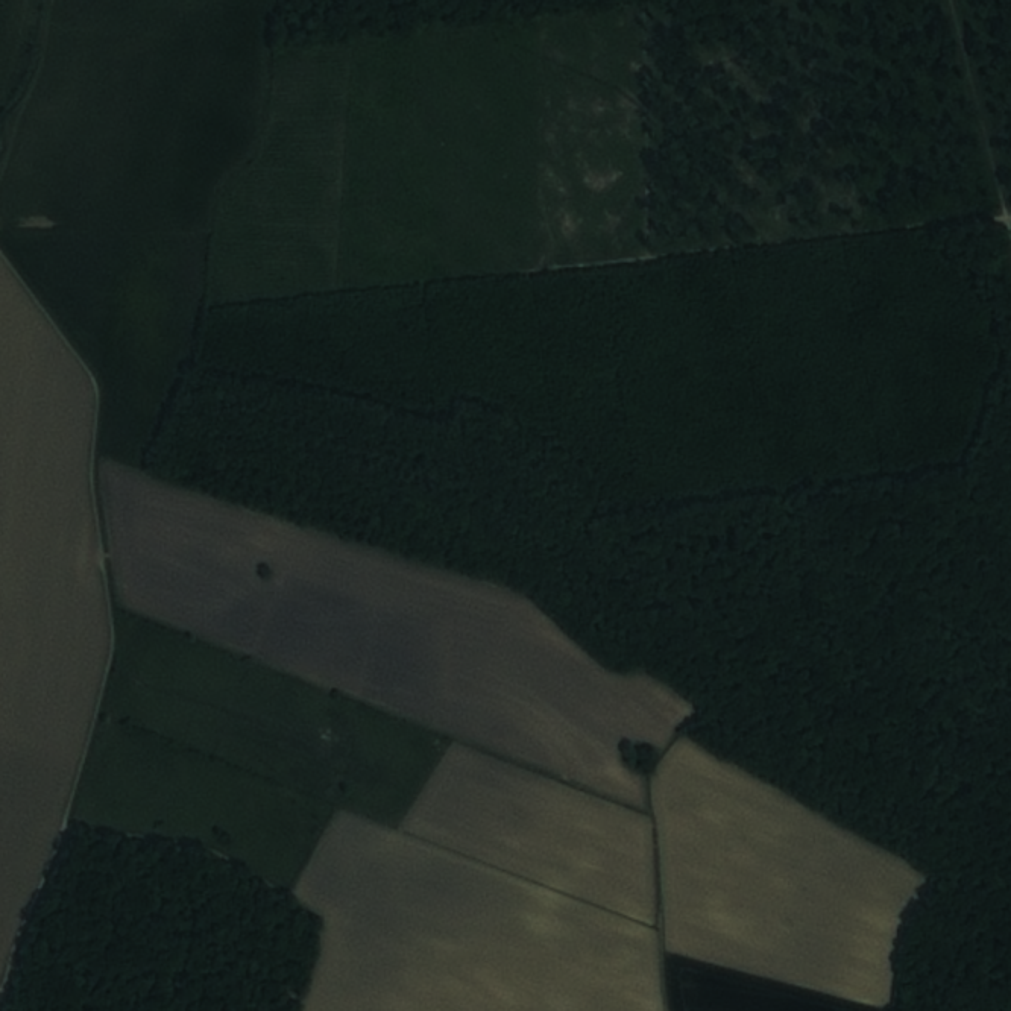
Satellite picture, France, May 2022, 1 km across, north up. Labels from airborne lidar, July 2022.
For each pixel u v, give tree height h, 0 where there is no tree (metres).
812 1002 0
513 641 0
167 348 0
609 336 9
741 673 23
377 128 0
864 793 26
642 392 11
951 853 25
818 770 21
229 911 21
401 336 14
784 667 18
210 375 21
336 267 0
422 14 27
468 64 0
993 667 23
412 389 14
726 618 25
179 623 0
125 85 0
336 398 26
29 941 20
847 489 23
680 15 24
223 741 0
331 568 0
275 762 0
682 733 10
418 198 0
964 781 26
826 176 27
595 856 0
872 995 0
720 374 13
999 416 26
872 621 27
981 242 26
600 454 12
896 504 24
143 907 26
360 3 27
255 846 0
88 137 0
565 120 0
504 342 11
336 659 0
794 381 11
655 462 11
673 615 26
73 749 0
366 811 0
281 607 0
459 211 0
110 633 0
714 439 12
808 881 0
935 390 10
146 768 0
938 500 25
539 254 0
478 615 0
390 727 0
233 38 0
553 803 0
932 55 22
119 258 0
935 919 21
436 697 0
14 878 0
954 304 12
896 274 10
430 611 0
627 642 22
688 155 22
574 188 0
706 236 27
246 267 0
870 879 0
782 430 11
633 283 10
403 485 27
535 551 25
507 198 0
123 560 0
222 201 0
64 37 0
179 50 0
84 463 0
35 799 0
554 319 11
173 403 15
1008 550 26
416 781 0
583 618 22
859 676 23
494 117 0
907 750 26
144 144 0
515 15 20
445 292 9
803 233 27
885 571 27
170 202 0
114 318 0
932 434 11
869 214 20
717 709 23
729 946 0
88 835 20
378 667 0
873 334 12
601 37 0
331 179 0
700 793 0
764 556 26
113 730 0
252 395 24
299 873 0
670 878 0
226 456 24
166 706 0
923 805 23
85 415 0
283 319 14
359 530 22
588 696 0
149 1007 30
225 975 26
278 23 21
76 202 0
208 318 9
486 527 25
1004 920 26
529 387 12
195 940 28
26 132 0
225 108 0
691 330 11
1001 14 25
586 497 26
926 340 11
